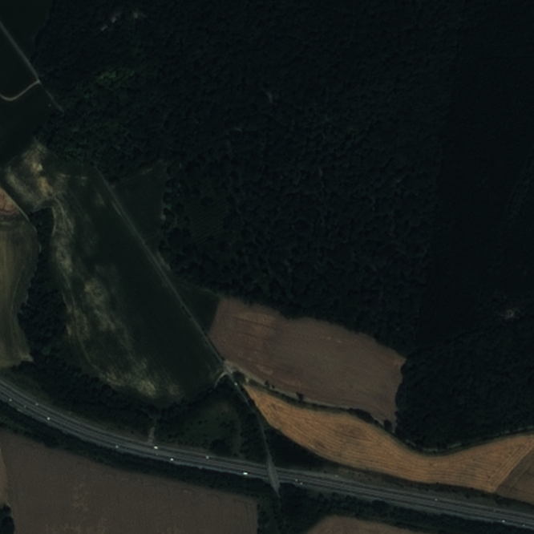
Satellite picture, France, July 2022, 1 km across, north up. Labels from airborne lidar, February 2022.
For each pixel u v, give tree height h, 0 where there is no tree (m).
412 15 26
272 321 0
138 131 21
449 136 15
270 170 22
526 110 14
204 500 0
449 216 14
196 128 23
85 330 0
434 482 0
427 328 18
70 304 0
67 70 19
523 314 16
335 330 0
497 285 16
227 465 0
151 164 9
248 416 11
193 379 0
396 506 0
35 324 25
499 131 13
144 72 19
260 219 26
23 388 0
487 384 28
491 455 0
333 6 23
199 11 22
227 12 21
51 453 0
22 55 0
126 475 0
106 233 0
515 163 15
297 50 26
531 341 23
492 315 16
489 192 16
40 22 0
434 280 16
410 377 17
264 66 25
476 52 17
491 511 0
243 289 14
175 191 21
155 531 0
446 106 23
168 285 0
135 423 9
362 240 25
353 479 0
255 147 18
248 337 0
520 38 18
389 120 25
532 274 16
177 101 16
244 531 0
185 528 0
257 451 9
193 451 0
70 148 13
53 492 0
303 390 0
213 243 24
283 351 0
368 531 0
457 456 0
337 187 22
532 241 15
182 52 20
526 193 12
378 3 25
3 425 10
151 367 0
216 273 24
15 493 0
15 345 0
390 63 23
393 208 29
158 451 0
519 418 15
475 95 13
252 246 26
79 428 0
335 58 24
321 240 24
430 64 24
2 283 0
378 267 0
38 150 0
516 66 14
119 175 9
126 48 19
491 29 19
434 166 25
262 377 0
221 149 20
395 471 0
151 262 0
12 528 19
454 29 23
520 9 16
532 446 0
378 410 0
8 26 0
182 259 21
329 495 0
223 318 0
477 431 12
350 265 27
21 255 0
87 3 21
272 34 27
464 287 16
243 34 20
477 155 13
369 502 0
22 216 0
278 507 9
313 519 8
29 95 0
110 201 0
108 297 0
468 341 18
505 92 15
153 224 0
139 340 0
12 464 0
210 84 22
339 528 0
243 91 25
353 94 18
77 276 0
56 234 0
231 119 23
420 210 19
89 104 20
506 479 0
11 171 0
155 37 20
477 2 22
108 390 15
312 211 30
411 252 29
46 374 21
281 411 0
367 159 26
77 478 0
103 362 0
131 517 0
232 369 0
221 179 21
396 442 0
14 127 0
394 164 22
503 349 21
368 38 26
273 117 23
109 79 15
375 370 0
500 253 12
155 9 17
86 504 0
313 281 23
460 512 0
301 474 0
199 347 0
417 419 23
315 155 9
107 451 11
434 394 21
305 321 0
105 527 0
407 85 25
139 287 0
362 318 21
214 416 0
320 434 0
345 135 10
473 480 0
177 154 24
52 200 0
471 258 14
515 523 0
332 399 0
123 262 0
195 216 0
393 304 26
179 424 11
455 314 17
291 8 25
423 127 21
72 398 23
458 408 22
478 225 16
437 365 21
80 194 0
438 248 15
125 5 20
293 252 26
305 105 20
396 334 23
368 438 0
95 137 21
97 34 17
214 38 26
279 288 24
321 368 0
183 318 0
